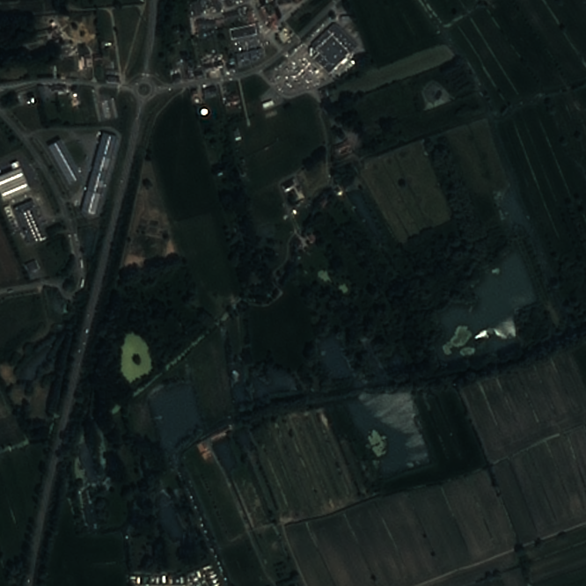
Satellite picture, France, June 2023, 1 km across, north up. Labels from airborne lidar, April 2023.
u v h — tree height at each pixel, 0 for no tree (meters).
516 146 0
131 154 0
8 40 21
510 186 0
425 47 0
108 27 0
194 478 0
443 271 17
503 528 0
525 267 0
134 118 0
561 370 0
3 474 0
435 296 7
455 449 0
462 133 0
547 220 0
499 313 0
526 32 0
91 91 0
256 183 0
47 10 0
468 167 0
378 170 0
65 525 0
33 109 0
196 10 0
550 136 0
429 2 0
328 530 0
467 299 14
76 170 0
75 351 15
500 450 0
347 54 0
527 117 0
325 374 10
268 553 0
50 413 15
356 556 0
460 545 0
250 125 0
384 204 0
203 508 0
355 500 0
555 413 0
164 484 0
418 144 0
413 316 10
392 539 0
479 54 0
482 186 0
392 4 0
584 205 0
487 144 0
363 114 0
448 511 0
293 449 0
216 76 0
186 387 0
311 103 0
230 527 0
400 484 0
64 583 0
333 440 0
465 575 0
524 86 0
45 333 0
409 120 0
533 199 0
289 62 0
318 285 8
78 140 0
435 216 0
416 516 0
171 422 0
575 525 0
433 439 0
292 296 0
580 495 0
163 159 0
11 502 0
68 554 0
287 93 0
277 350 0
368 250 9
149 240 0
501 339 0
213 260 0
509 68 0
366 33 0
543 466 0
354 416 0
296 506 0
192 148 0
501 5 0
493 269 0
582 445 0
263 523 0
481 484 0
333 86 6
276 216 0
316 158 13
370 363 0
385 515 0
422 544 0
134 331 8
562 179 0
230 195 19
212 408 0
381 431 0
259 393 0
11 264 0
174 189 0
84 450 0
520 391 0
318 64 0
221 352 0
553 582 0
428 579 0
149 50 0
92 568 0
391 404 0
